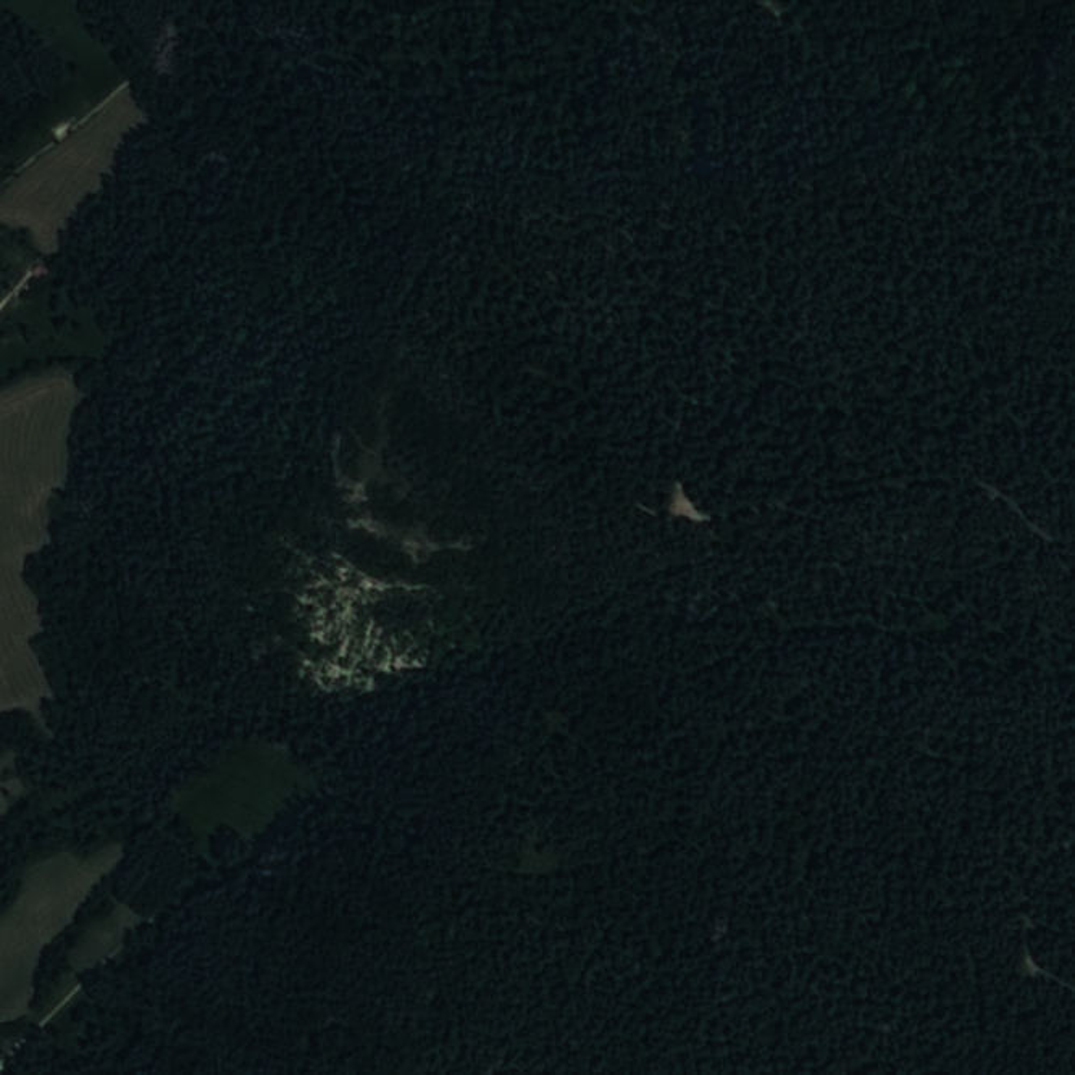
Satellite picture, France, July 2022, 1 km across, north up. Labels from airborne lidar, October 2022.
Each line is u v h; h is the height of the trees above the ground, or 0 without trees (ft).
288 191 84
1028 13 25
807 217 88
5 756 49
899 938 75
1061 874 89
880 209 73
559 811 66
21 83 85
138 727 40
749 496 98
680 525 88
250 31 100
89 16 54
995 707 49
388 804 94
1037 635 114
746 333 39
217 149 68
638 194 96
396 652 24
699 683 66
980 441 96
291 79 93
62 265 49
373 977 92
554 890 42
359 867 110
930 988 46
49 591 45
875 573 89
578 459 68
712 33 64
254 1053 117
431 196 90
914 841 90
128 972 58
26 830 25
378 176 90
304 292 88
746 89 76
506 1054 39
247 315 21
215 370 75
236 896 114
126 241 57
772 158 78
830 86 91
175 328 30
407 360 33
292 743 24
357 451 23
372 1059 89
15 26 43
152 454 108
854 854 85
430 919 68
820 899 41
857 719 85
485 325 56
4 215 0
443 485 37
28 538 0
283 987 70
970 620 90
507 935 60
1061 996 76
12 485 0
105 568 72
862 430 53
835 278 85
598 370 38
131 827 27
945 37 54
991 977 52
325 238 93
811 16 29
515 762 54
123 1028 36
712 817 38
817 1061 88
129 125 0
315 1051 89
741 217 77
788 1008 68
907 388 99
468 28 66
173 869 87
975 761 54
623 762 45
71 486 37
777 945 42
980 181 74
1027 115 104
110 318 62
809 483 110
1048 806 107
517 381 62
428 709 106
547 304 51
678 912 63
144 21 99
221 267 89
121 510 64
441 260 55
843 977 83
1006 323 114
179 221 80
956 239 34
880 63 79
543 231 34
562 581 52
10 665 0
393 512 21
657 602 72
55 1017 0
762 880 109
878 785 81
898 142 93
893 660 61
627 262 95
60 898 0
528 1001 44
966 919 80
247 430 56
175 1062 114
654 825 21
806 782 60
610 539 72
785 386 89
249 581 36
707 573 91
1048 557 68
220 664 93
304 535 22
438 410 51
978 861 64
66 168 0
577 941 79
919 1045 47
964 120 112
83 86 0
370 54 28
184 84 108
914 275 106
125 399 90
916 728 80
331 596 21
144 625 54
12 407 0
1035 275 68
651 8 113
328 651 36
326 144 104
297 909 107
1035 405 109
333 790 102
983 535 68
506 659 88
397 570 32
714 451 99
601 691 56
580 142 29
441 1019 80
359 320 89
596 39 31
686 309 106
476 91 103
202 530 68
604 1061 78
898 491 30
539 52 84
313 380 79
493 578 34
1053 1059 49
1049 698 55
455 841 92
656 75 111
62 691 41
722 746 39
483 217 57
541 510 50
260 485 54
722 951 55
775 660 66
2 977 0
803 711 80
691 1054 52
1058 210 100
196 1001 88
